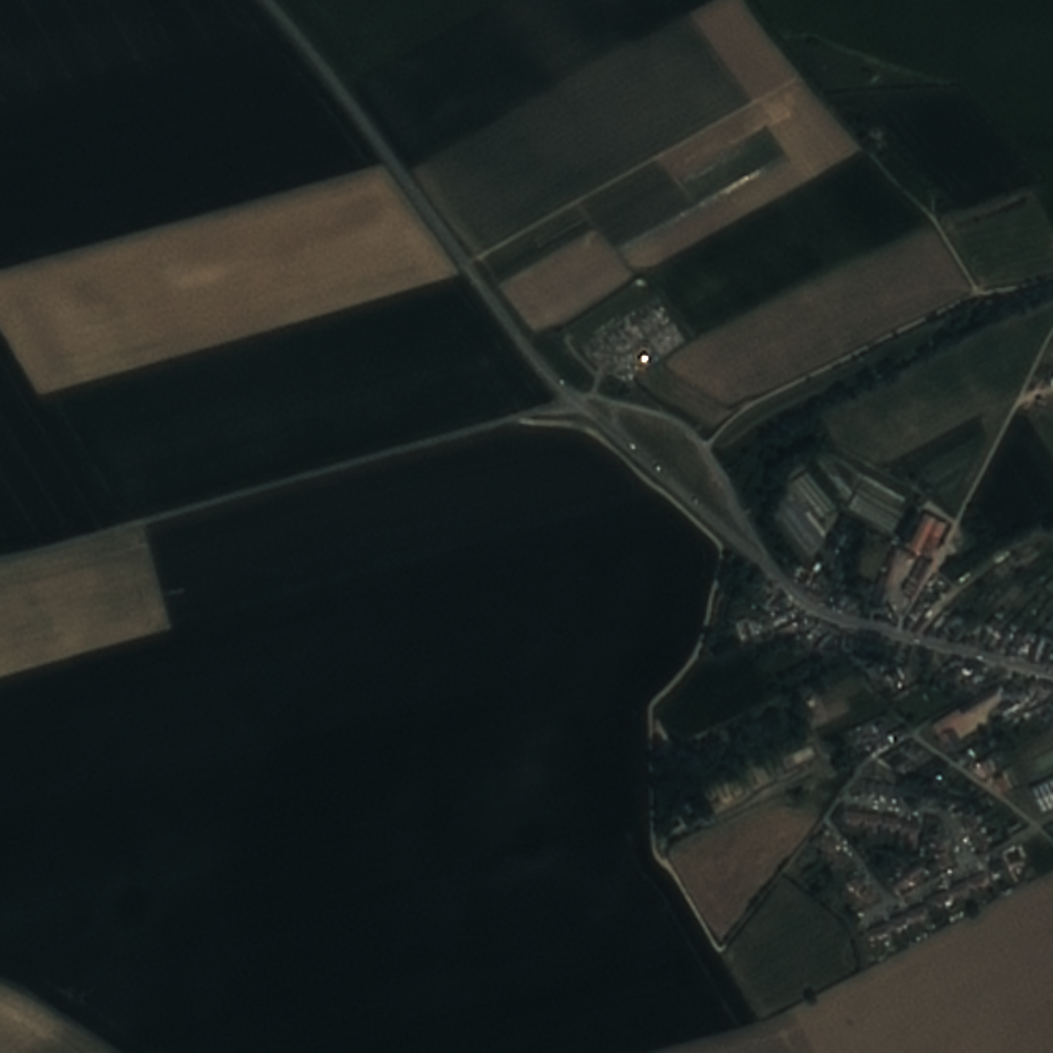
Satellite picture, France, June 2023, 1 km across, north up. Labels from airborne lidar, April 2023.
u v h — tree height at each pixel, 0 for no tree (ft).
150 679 0
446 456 0
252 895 0
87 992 0
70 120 0
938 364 0
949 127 0
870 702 0
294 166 0
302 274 0
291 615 0
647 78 0
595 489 0
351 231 0
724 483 0
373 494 0
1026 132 0
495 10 0
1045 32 0
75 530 0
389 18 0
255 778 0
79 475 0
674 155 0
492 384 0
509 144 0
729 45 0
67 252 0
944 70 0
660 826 32
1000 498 0
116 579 0
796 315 0
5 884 0
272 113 0
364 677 0
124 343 0
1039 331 0
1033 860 0
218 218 0
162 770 0
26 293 0
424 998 0
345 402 0
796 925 0
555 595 0
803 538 0
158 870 0
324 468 0
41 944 0
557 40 0
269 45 0
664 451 0
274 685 0
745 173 0
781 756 0
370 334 0
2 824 0
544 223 0
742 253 0
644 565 0
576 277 0
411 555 0
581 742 0
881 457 0
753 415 0
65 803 0
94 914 0
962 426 0
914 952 0
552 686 0
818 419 39
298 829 0
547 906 0
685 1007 0
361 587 0
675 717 0
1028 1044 0
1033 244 0
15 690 0
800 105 0
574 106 0
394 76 0
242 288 0
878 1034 0
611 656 0
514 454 0
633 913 0
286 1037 0
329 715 0
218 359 0
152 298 0
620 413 0
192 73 0
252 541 0
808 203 0
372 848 0
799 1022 0
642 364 0
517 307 0
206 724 0
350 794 0
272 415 0
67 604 0
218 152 0
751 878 0
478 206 0
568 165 0
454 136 0
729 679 0
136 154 0
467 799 0
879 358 0
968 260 0
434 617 0
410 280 0
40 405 0
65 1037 0
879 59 0
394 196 0
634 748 0
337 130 0
